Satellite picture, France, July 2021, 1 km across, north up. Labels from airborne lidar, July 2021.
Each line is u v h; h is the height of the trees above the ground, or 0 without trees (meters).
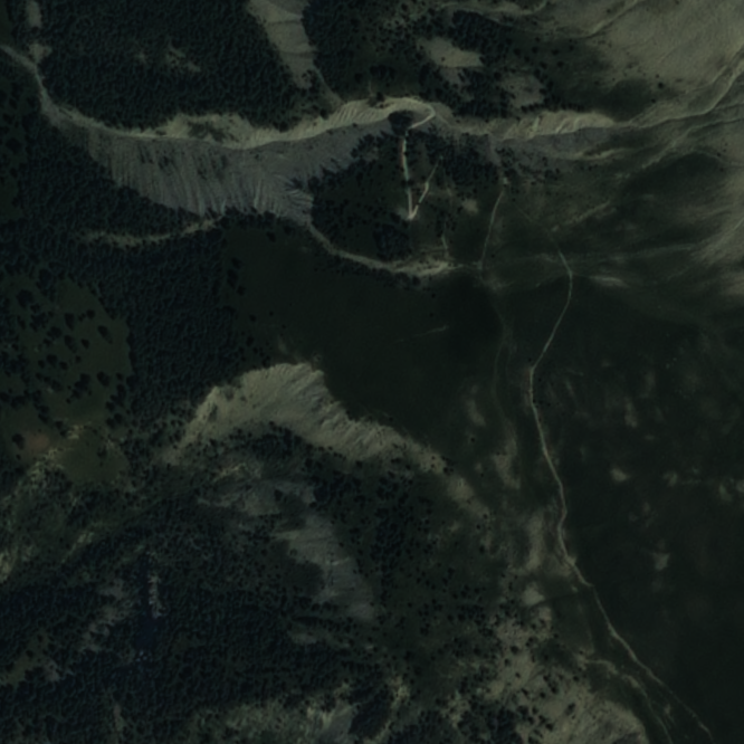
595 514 0
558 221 0
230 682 9
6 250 28
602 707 0
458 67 0
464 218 0
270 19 0
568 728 0
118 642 7
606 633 0
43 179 12
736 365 0
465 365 0
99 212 16
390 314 0
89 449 0
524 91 0
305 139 0
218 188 0
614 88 0
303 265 0
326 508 13
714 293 0
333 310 0
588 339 0
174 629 18
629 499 0
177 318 19
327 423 0
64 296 0
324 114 16
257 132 0
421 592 0
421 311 0
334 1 20
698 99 0
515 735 11
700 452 0
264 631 20
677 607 0
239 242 0
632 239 0
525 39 0
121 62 17
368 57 0
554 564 0
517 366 0
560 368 0
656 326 0
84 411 0
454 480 0
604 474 0
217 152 0
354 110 0
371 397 0
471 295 0
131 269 16
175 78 18
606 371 0
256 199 0
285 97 19
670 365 0
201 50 18
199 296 18
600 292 0
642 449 0
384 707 15
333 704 10
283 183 0
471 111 16
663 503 0
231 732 8
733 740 0
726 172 0
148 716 9
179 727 16
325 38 23
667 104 0
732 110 0
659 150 0
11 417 0
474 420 0
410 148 8
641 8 0
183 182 0
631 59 0
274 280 0
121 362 0
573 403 0
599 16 0
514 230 0
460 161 10
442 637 0
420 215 0
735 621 0
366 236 0
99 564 16
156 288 21
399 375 0
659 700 0
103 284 24
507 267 0
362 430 0
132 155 0
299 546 0
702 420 0
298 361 0
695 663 0
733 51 0
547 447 0
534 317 0
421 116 0
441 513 0
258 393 0
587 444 0
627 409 0
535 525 0
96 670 16
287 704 9
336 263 7
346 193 0
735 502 0
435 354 0
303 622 11
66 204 15
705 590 0
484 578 0
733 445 0
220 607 8
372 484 0
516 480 0
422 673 17
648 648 0
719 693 0
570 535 0
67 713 22
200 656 16
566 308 0
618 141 0
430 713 11
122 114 19
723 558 0
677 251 0
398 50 12
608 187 0
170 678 26
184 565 10
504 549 0
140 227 18
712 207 0
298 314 0
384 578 9
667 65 0
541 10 0
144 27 21
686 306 0
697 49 0
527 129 0
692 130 0
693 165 0
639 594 0
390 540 13
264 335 0
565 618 0
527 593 0
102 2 21
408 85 0
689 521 0
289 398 0
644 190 0
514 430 0
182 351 27
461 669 0
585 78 0
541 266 0
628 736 0
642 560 0
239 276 22
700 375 0
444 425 0
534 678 0
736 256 0
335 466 0
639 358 0
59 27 17
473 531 0
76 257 12
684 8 0
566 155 0
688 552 0
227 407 0
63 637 10
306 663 16
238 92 24
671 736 0
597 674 0
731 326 0
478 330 0
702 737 0
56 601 16
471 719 9
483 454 0
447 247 0
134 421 8
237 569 6
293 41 0
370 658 6
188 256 15
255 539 8
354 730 9
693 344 0
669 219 0
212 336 20
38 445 0
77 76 19
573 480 0
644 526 0
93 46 16
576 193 0
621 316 0
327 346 0
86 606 24
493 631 8
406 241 16
